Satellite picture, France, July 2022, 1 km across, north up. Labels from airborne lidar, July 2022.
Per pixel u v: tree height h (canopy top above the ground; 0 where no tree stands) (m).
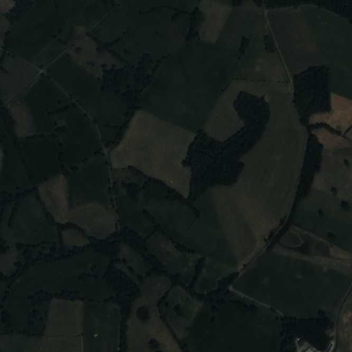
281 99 0
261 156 0
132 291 20
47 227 0
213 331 0
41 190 0
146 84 14
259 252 0
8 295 11
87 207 0
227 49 0
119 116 0
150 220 12
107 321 0
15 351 0
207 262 0
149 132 0
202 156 21
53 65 0
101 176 0
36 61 0
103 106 0
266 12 0
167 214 0
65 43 10
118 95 12
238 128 0
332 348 0
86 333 0
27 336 12
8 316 21
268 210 0
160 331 0
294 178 0
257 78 0
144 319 10
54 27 0
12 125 15
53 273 0
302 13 0
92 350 0
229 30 0
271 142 0
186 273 0
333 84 0
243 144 15
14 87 0
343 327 0
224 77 0
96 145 0
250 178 0
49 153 0
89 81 0
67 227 14
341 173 0
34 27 0
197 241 0
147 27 0
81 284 0
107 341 0
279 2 11
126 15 0
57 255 12
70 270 0
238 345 0
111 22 0
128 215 0
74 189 0
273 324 0
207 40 0
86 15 0
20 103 0
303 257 0
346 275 0
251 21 0
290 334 12
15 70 0
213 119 0
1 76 0
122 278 27
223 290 14
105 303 12
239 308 24
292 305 0
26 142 0
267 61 0
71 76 0
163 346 0
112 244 17
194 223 0
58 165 0
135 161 0
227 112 0
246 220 0
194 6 0
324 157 0
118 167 0
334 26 0
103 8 0
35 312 16
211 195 0
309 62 0
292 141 0
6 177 0
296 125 0
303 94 8
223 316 0
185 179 0
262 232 0
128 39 0
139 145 0
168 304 15
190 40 12
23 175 0
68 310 0
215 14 0
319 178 0
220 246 0
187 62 0
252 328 0
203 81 0
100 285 0
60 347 0
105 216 0
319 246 0
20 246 23
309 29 0
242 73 0
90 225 0
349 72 0
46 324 0
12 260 0
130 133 0
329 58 0
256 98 13
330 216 0
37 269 0
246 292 0
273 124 0
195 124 0
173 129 0
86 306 0
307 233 0
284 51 0
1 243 18
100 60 0
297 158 0
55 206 0
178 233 0
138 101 14
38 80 0
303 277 0
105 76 14
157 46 0
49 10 0
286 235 0
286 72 0
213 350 0
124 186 16
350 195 0
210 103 0
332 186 0
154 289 0
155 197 0
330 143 0
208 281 0
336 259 0
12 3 0
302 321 16
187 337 0
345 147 0
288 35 0
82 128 0
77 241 0
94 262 0
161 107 0
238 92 0
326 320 21
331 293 0
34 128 0
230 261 0
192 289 15
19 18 20
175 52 0
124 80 14
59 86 0
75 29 0
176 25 0
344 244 0
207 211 0
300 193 8
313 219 0
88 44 0
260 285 0
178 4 0
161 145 0
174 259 0
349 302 0
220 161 13
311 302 0
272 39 0
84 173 0
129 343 0
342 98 0
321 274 0
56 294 11
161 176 0
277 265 0
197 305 0
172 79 0
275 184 0
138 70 13
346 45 0
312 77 9
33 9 0
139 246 19
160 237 0
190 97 0
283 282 0
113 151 0
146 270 0
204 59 0
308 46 0
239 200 0
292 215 6
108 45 17
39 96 0
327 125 11
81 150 0
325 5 14
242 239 0
